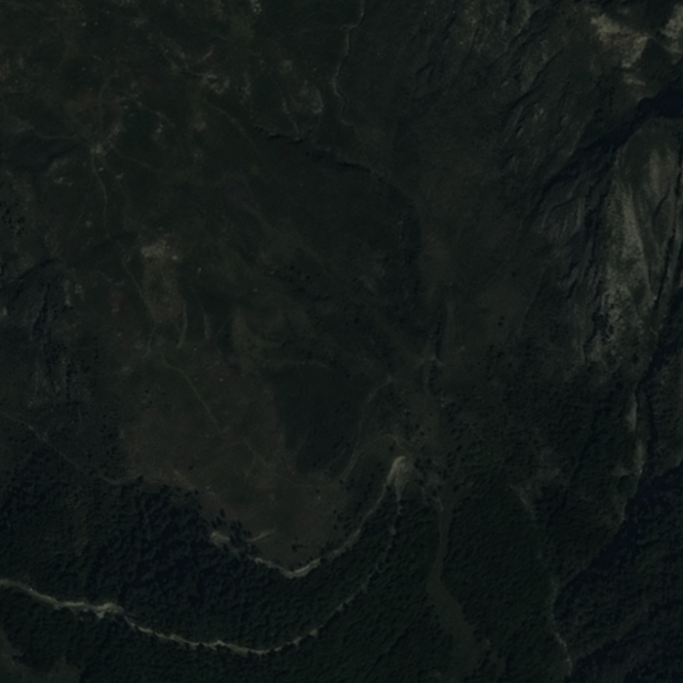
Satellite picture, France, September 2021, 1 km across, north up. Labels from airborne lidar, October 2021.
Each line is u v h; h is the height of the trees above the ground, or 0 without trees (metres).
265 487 0
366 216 0
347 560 14
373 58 0
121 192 0
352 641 19
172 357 0
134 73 0
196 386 0
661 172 0
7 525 13
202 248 0
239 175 0
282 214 0
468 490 6
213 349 0
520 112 0
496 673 10
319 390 0
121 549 25
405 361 0
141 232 0
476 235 0
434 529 14
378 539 14
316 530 0
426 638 20
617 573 9
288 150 0
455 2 0
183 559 17
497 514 14
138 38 0
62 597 16
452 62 0
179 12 0
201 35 0
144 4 0
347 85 0
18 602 13
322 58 0
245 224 0
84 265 0
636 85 0
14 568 20
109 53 0
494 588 12
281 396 0
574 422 11
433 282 0
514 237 0
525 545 13
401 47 0
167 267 0
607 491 18
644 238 0
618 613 8
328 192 0
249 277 0
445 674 12
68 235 0
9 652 0
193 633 18
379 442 0
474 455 7
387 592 21
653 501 7
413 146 0
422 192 0
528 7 0
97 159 0
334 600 16
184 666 18
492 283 0
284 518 0
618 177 0
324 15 0
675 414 12
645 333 0
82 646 21
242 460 0
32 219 0
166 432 0
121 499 13
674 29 0
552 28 0
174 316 0
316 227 0
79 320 0
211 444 0
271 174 0
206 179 0
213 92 0
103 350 0
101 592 16
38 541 13
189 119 0
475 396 7
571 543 10
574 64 0
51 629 20
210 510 0
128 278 0
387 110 0
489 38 0
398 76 0
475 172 0
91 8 0
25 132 0
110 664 21
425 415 0
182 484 0
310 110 0
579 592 14
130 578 32
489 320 0
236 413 0
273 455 0
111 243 0
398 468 0
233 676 13
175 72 0
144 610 23
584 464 13
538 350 6
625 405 14
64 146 0
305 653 15
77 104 0
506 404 11
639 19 0
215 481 0
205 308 0
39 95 0
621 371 8
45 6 0
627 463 15
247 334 0
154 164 0
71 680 0
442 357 0
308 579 13
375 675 19
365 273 0
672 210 0
